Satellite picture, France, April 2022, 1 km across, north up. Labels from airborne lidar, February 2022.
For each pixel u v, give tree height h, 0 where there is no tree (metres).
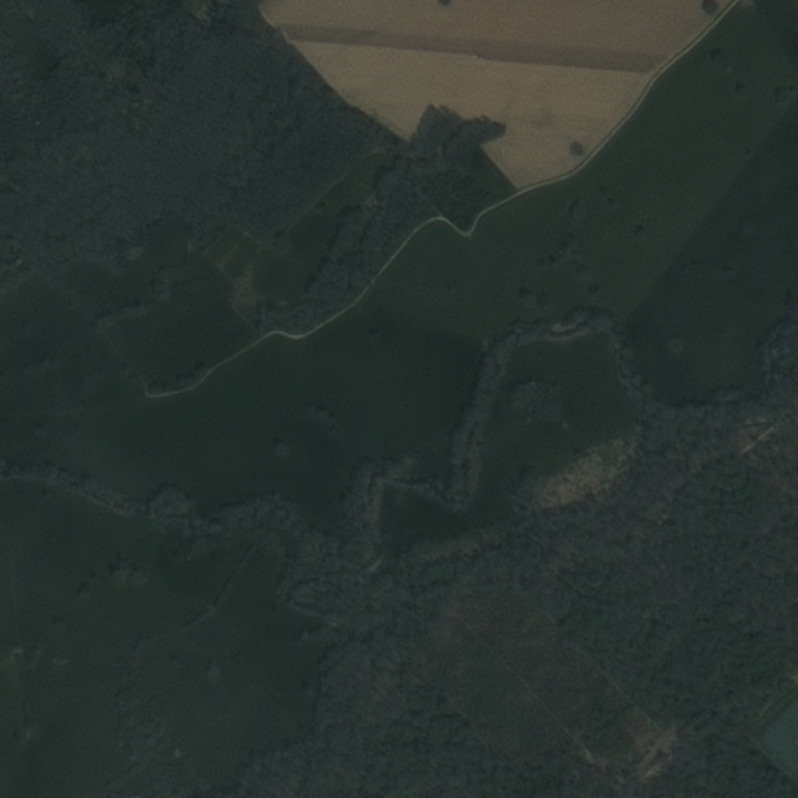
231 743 0
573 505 0
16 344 0
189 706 0
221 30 19
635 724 0
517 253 0
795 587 27
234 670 0
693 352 0
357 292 17
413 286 0
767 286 0
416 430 0
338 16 0
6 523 0
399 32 0
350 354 0
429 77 0
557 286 0
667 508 24
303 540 10
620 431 0
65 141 24
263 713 0
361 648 26
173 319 0
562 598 33
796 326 24
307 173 26
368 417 0
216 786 0
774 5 0
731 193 0
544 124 0
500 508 0
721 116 0
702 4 0
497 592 30
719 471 21
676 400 0
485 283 0
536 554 32
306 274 0
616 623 25
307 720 0
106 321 17
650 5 0
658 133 0
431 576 22
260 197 27
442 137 24
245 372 0
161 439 0
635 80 0
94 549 0
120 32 15
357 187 0
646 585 28
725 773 27
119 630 0
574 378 0
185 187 27
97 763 0
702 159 0
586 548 28
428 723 29
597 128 0
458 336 0
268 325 17
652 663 26
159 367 0
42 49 0
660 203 0
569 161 0
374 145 22
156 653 0
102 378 0
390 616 18
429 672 6
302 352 0
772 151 0
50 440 0
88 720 0
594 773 27
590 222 0
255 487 0
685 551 26
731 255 0
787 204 0
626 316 0
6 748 0
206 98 26
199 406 0
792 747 0
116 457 0
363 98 0
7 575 0
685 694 29
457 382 0
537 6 0
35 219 28
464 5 0
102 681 0
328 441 0
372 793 30
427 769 29
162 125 28
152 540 0
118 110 25
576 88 0
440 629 31
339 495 0
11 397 0
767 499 29
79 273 0
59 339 0
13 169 26
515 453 0
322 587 27
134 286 0
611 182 0
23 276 18
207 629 0
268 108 23
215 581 0
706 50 0
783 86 0
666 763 22
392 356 0
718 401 21
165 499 14
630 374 16
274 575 0
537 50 0
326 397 0
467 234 0
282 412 0
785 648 23
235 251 0
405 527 0
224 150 26
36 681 0
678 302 0
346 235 19
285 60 25
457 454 16
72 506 0
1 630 0
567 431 0
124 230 25
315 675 0
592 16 0
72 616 0
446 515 0
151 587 0
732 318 0
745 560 26
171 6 18
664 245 0
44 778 0
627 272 0
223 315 0
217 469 0
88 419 0
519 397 26
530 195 0
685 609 26
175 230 0
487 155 0
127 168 28
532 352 0
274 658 0
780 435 24
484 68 0
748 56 0
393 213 17
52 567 0
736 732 29
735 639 26
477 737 31
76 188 27
